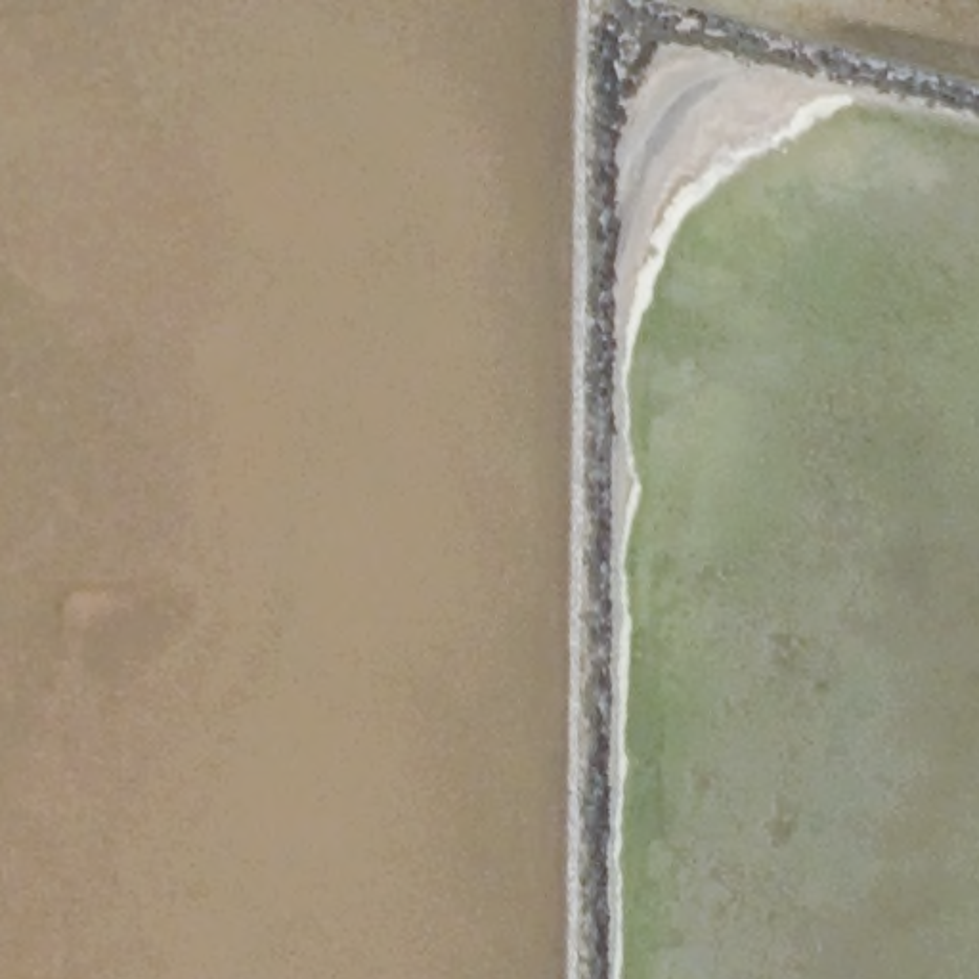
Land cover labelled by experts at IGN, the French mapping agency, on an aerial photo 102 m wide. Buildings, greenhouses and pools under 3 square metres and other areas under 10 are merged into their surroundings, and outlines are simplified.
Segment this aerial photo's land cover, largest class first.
<instances>
[{"label":"water","instance_id":"1","mask_svg":"<svg viewBox=\"0 0 979 979\"><path fill-rule=\"evenodd\" d=\"M577 0H0V979H566L570 325ZM631 444L642 493L627 543L631 688L623 807V979H979V130L941 119L899 115L887 107H841L811 122L799 138L784 141L780 149L746 161L730 180H723L700 207L685 214L681 229L669 241L665 264L654 279V298L639 325L631 363Z\"/></svg>","mask_w":979,"mask_h":979},{"label":"pervious surface","instance_id":"2","mask_svg":"<svg viewBox=\"0 0 979 979\"><path fill-rule=\"evenodd\" d=\"M600 23V0H577L570 325L566 979H585L589 914L581 910V795L589 765V719L581 700L593 662L612 665L616 692L608 757V979H623V807L631 688L627 543L642 493L631 444V363L639 325L654 298V279L665 264L669 241L681 229L685 214L700 207L723 180H730L746 161L780 149L784 141L799 138L811 122L841 107H887L899 115L941 119L979 130V115L948 103H929L922 96L880 92L864 84H834L826 73L807 76L780 65L742 61L734 54H711L700 46H658L642 76V88L631 99H623L627 119L616 161V207L623 233L616 260L612 390V639L593 642L585 631V555L593 524L585 505V367L593 329L589 180L597 107L589 57L593 31ZM669 8L685 4L734 15L750 23V31L769 50L818 54V38H838L876 57L979 80V0H650Z\"/></svg>","mask_w":979,"mask_h":979},{"label":"brushwood","instance_id":"3","mask_svg":"<svg viewBox=\"0 0 979 979\"><path fill-rule=\"evenodd\" d=\"M658 46H700L711 54H734L742 61L780 65L807 76L826 73L834 84H864L880 92L922 96L929 103H948L979 115V80L876 57L838 38H818V54L769 50L750 31V23L734 15L685 4L669 8L650 0H600V23L593 31L589 57L597 107L589 180L593 329L585 367V505L593 524L585 555V631L593 642L612 639V390L616 260L623 233L616 207V161L627 119L623 99H631L642 88V76ZM616 692L612 665L593 662L581 700L589 719V765L581 795V910L589 914L585 979H608V757Z\"/></svg>","mask_w":979,"mask_h":979}]
</instances>
